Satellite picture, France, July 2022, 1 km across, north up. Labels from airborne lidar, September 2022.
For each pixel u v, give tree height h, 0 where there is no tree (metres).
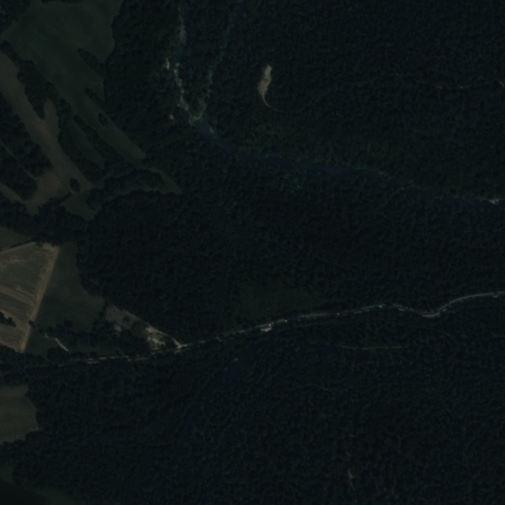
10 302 0
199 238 25
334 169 0
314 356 30
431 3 20
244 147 23
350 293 19
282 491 26
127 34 23
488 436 26
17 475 18
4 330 0
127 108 20
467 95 14
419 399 14
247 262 20
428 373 25
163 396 17
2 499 0
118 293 17
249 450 7
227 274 16
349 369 34
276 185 18
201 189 27
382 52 19
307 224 21
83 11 0
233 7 24
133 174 19
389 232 24
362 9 21
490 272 17
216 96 14
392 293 17
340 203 17
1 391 0
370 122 16
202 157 30
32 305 0
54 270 0
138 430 27
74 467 24
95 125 0
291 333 10
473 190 20
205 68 16
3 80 0
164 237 18
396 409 11
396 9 18
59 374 26
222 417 27
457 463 27
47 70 0
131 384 16
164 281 18
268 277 18
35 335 0
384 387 20
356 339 8
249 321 16
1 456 16
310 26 21
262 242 21
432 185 25
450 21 23
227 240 21
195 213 23
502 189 24
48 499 0
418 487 29
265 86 0
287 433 30
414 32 19
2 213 20
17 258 0
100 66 11
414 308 12
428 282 23
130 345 20
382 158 7
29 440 12
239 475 24
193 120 0
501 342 18
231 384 32
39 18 0
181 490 29
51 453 19
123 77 17
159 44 11
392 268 18
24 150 9
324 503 24
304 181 9
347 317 12
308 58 12
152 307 17
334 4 14
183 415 19
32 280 0
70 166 0
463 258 9
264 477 22
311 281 15
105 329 11
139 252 17
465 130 16
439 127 17
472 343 16
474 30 22
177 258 23
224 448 24
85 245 24
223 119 17
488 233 29
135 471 16
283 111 10
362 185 26
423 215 37
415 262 12
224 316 15
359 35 20
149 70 24
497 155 21
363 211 20
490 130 21
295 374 24
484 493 32
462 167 18
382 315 14
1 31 12
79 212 0
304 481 28
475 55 17
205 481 18
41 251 0
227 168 14
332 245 16
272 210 16
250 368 32
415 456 30
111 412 24
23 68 9
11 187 19
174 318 19
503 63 23
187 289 21
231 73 17
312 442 8
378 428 15
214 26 7
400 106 7
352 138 12
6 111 20
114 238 18
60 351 17
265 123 10
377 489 32
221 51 21
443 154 20
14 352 13
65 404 19
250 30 14
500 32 16
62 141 13
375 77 10
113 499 11
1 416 0
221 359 22
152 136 25
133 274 19
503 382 30
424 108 24
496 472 32
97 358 18
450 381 34
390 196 23
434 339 35
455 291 9
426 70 14
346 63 19
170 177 11
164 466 13
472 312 15
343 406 10
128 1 15
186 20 11
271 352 28
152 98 23
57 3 0
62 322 0
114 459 18
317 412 28
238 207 21
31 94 16
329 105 12
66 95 0
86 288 17
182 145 16
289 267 22
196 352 24
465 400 24
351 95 16
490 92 21
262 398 26
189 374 19
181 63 21
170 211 23
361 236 29
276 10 13
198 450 31
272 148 8
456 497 31
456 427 9
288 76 8
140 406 24
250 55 17
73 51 0
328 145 11
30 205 0
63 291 0
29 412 0
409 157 11
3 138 15
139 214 20
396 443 29
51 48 0
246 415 26
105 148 13
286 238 24
